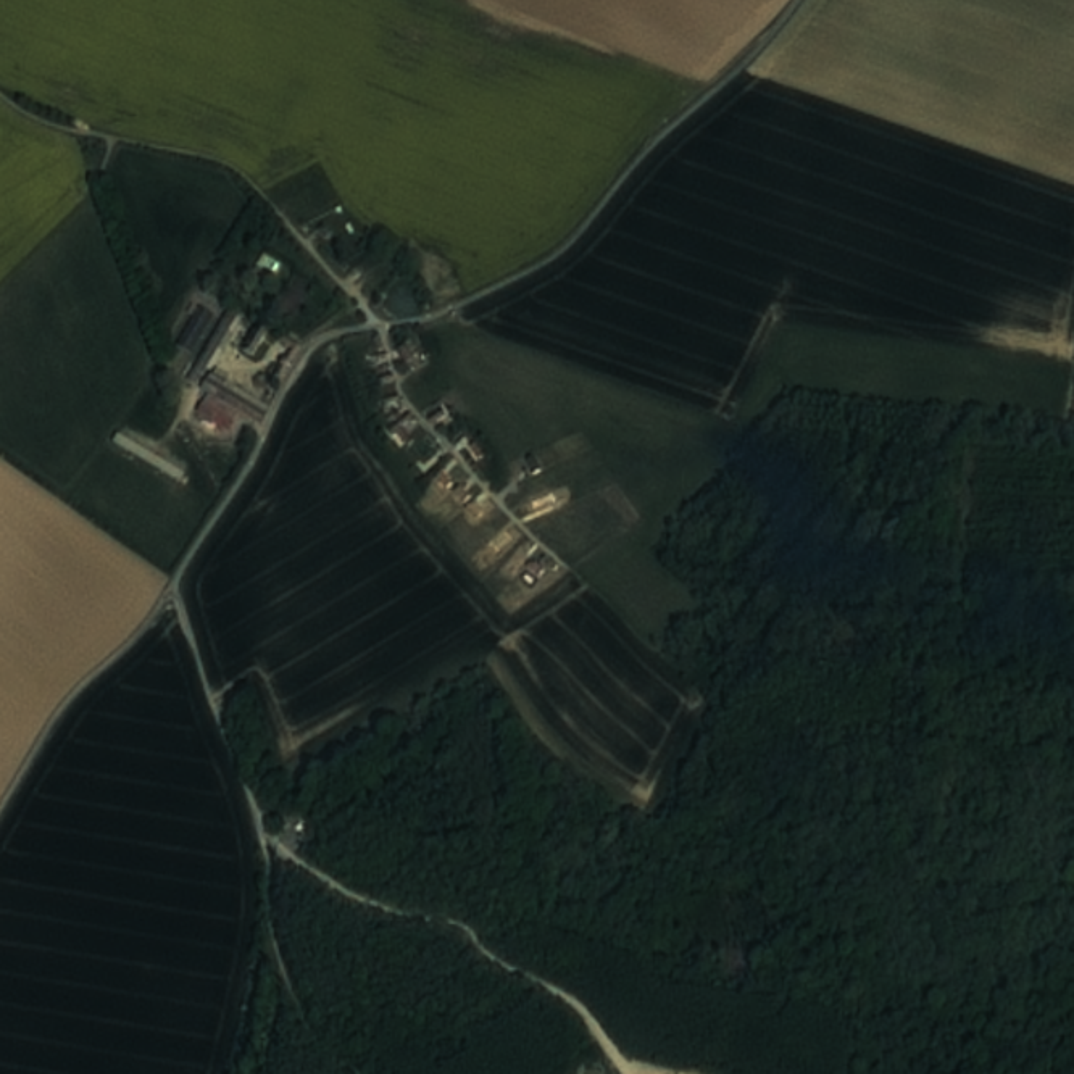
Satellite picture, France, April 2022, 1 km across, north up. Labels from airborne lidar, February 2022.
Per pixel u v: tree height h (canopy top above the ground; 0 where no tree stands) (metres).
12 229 0
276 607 0
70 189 0
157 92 0
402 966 21
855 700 18
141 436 0
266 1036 6
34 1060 0
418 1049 12
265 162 0
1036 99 0
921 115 0
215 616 0
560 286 0
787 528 21
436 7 0
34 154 0
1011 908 24
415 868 17
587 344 0
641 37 0
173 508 0
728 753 18
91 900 0
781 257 0
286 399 0
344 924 17
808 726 18
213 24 0
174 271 0
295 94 0
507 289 0
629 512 0
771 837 19
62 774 0
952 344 0
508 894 14
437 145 0
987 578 7
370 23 0
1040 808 21
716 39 0
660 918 21
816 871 19
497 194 0
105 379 0
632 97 0
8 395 0
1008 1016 20
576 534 0
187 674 0
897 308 0
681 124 0
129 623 0
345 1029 11
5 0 0
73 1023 0
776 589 24
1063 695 17
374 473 0
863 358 0
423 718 10
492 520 0
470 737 12
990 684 19
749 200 0
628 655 0
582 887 20
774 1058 17
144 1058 0
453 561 0
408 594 0
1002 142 0
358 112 0
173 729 0
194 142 0
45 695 0
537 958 10
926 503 24
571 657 0
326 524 0
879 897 20
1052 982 20
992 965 20
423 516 0
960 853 15
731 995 14
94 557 0
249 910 0
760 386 0
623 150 0
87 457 0
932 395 0
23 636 0
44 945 0
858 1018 8
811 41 0
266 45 0
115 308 0
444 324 0
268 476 0
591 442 0
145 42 0
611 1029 13
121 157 0
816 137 0
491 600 0
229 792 0
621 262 0
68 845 0
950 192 0
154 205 0
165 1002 0
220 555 0
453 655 0
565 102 0
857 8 0
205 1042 0
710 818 18
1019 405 0
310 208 0
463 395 0
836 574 22
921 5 0
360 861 10
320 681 0
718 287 0
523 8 0
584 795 21
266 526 0
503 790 10
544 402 0
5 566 0
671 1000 14
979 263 0
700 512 15
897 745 22
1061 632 23
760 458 20
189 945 0
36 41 0
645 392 0
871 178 0
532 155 0
